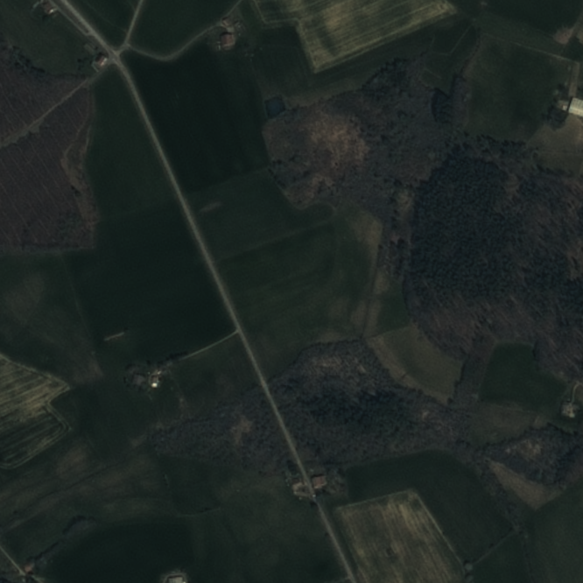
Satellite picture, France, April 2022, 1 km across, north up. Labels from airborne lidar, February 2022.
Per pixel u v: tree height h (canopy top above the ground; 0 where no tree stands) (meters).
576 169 0
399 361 0
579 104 0
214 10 0
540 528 0
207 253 0
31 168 12
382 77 13
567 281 29
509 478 0
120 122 0
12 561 0
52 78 10
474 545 0
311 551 0
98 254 0
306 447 12
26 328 0
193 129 0
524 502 0
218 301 0
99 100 0
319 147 0
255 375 0
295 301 0
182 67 0
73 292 0
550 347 25
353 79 0
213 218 0
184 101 0
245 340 0
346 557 0
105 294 0
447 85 0
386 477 0
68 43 0
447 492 0
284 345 0
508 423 0
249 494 0
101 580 0
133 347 0
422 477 0
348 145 0
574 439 15
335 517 0
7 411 0
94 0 0
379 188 12
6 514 0
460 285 30
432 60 0
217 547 0
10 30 0
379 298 0
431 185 12
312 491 0
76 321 0
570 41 0
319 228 0
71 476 0
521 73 0
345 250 0
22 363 0
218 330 0
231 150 0
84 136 0
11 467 0
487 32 0
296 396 11
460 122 23
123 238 0
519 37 0
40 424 0
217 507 0
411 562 0
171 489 0
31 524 0
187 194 0
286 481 0
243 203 0
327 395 24
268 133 0
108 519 0
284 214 0
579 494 0
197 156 0
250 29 0
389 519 0
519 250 29
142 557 0
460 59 0
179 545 0
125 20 0
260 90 0
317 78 0
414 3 0
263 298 0
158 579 0
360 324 0
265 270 0
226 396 0
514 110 0
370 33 0
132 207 0
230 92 0
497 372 0
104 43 0
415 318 14
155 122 0
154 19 0
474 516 0
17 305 0
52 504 0
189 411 0
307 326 0
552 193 25
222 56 0
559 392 0
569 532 0
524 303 28
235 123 0
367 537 0
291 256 0
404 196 0
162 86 0
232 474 0
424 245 26
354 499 0
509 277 28
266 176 0
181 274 0
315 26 0
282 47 0
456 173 29
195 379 0
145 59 0
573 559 0
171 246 0
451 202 27
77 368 0
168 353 0
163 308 0
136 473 0
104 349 0
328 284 0
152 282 0
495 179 29
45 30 0
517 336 24
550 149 0
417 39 0
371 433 15
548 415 0
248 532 0
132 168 0
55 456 0
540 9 0
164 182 0
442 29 0
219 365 0
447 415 9
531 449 0
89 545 0
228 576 0
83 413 0
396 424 21
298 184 13
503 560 0
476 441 0
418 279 24
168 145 0
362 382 8
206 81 0
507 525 0
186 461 0
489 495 0
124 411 0
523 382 0
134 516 0
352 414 17
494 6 0
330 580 0
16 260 0
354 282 0
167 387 0
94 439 0
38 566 12
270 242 0
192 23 0
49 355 0
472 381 17
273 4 0
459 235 26
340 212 0
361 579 0
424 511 0
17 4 0
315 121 0
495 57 0
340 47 0
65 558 0
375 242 0
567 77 0
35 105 12
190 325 0
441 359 0
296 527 0
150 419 0
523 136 0
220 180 0
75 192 16
